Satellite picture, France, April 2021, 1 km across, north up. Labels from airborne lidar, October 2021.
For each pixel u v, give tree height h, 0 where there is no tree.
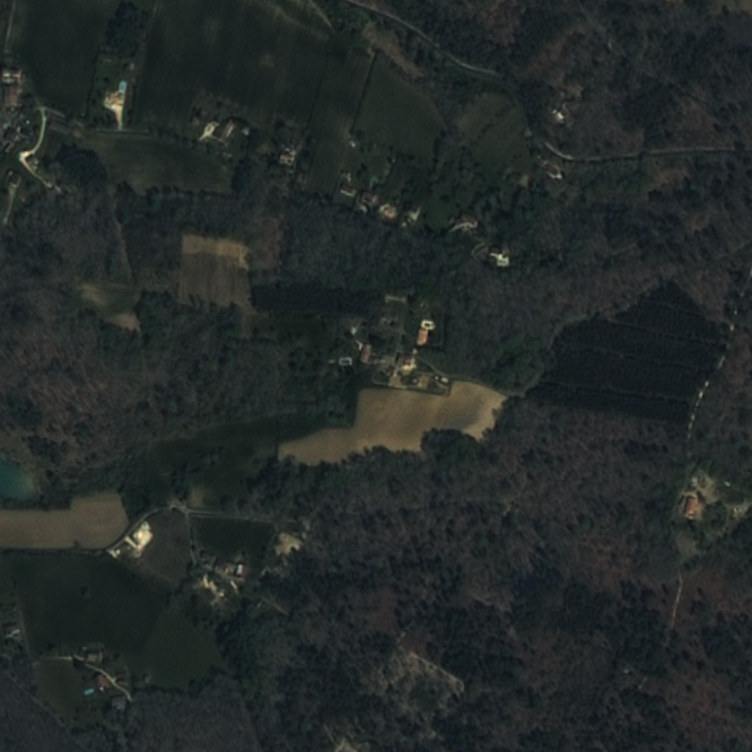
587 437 10
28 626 0
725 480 13
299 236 17
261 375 19
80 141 0
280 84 0
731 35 14
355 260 15
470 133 0
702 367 13
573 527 15
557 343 10
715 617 8
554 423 15
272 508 18
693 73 24
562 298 15
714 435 17
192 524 0
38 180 9
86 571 0
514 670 20
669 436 15
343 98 0
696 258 14
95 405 24
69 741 11
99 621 0
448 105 19
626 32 18
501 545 14
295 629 18
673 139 23
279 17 0
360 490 21
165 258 9
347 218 21
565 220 13
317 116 0
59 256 16
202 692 15
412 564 7
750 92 14
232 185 0
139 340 17
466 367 19
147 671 0
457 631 17
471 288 10
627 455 10
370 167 0
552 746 19
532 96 23
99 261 14
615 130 16
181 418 16
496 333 19
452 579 16
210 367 24
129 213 10
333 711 17
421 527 13
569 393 13
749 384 14
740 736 8
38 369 14
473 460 22
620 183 17
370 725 13
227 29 0
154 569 0
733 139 17
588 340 10
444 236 12
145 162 0
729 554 13
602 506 11
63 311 20
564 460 9
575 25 17
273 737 27
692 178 7
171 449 0
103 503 0
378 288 20
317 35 0
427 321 0
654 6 14
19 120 0
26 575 0
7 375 21
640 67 14
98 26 0
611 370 10
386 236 13
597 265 8
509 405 10
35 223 12
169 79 0
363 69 0
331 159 0
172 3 0
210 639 9
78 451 8
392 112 0
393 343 7
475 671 11
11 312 19
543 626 21
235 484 0
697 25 13
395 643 10
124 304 0
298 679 18
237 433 0
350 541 8
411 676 13
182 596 16
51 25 0
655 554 16
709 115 13
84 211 12
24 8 0
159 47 0
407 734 17
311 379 8
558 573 11
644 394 11
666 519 19
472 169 8
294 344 15
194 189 0
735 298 16
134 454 11
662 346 9
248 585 12
